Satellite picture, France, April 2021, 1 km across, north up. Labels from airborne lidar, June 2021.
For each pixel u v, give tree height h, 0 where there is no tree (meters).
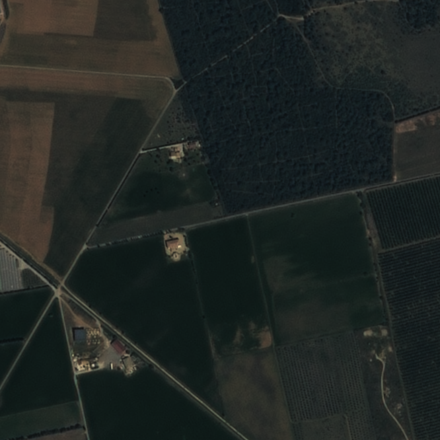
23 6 0
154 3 0
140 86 0
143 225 0
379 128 7
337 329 0
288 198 11
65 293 0
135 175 0
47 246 0
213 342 0
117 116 0
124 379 0
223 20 13
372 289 0
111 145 0
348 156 12
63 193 0
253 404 0
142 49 0
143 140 0
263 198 8
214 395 0
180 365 0
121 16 0
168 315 0
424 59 0
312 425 0
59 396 0
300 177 11
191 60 6
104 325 0
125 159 0
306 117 9
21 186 0
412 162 0
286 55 13
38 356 0
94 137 0
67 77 0
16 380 0
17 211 0
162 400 0
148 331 0
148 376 0
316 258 0
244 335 0
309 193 10
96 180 0
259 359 0
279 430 0
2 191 0
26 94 0
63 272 0
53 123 0
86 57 0
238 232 0
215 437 0
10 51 0
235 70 11
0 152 0
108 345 0
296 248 0
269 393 0
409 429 0
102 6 0
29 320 0
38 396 0
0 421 0
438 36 0
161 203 0
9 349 0
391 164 8
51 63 0
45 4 0
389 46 0
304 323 0
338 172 10
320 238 0
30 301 0
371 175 11
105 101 0
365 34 0
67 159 0
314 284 0
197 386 0
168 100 0
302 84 6
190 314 0
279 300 0
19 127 0
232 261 0
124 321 0
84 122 0
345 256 0
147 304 0
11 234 0
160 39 0
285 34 12
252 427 0
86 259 0
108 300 0
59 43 0
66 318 0
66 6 0
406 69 0
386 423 0
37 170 0
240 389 0
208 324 0
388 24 0
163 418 0
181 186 0
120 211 0
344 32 0
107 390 0
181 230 10
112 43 0
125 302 0
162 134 0
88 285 0
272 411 0
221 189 8
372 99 9
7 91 0
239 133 12
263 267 0
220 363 0
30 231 0
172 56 0
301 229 0
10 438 0
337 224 0
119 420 0
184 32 12
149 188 0
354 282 0
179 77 0
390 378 0
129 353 8
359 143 6
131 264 0
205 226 0
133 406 0
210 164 10
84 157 0
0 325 0
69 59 0
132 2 0
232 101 12
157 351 0
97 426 0
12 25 0
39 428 0
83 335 0
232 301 0
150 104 0
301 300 0
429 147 0
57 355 0
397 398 0
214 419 0
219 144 10
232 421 0
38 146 0
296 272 0
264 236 0
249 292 0
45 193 0
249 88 13
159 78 0
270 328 0
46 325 0
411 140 0
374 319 0
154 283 0
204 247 0
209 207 0
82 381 0
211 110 6
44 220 0
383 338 0
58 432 11
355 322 0
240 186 9
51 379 0
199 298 0
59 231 0
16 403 0
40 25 0
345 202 0
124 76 0
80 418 0
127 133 0
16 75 0
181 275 0
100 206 0
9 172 0
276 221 0
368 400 0
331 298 0
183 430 0
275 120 7
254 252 0
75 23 0
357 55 0
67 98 0
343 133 9
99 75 0
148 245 0
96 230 0
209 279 0
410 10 11
